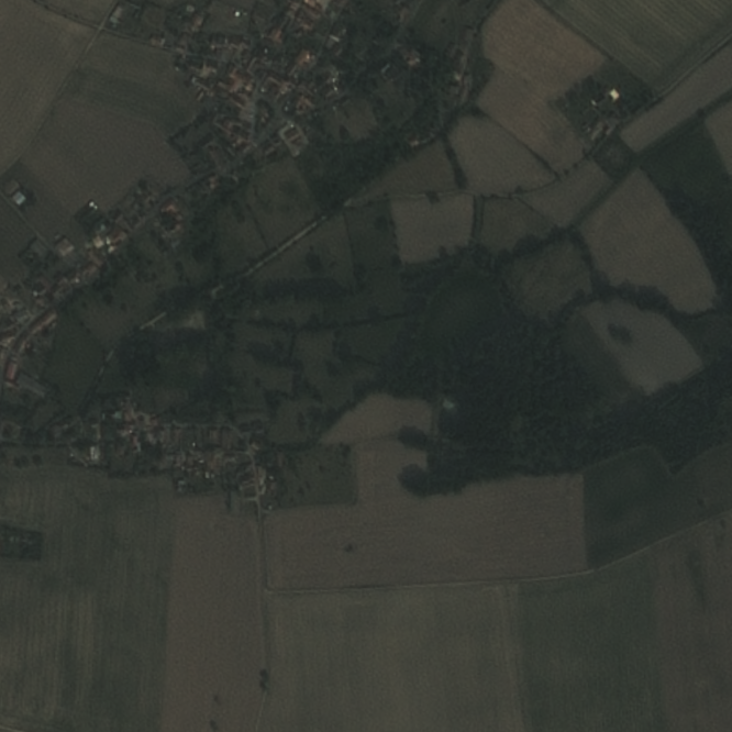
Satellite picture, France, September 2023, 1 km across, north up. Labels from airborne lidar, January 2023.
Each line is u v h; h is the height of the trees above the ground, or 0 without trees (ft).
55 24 0
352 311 0
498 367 79
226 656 0
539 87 0
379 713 0
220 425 0
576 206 0
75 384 0
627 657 0
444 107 21
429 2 0
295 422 0
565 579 0
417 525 0
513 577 0
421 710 0
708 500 0
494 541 0
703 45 0
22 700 0
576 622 0
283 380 0
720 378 51
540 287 0
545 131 0
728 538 0
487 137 0
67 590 0
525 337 80
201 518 0
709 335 0
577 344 0
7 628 0
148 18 0
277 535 0
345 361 51
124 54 0
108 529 0
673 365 0
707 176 0
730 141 0
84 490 0
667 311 21
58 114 0
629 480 0
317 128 18
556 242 30
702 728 0
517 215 0
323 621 0
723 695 0
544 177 0
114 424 0
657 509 0
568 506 0
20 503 0
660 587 0
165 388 0
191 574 0
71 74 0
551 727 0
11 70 0
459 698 0
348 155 21
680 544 0
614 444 40
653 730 0
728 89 0
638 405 0
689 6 0
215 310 51
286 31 24
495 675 0
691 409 45
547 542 0
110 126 0
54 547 0
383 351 0
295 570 0
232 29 0
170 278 0
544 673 0
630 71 0
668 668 0
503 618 0
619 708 0
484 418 88
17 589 0
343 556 0
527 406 37
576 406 71
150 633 0
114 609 0
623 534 0
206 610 0
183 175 0
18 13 0
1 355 0
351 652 0
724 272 40
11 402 0
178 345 77
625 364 0
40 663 0
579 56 0
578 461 56
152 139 0
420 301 51
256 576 0
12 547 0
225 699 0
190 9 0
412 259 0
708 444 17
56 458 0
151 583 0
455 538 0
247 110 0
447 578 0
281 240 0
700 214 69
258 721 0
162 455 23
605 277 0
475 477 32
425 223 0
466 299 0
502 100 0
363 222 0
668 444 31
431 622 0
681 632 0
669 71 0
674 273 0
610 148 89
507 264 52
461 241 0
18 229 0
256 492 0
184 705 0
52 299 34
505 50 0
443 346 0
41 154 0
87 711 0
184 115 0
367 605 0
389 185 0
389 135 32
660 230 0
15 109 0
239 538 0
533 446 48
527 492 0
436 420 0
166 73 0
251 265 27
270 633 0
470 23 0
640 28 0
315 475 0
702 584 0
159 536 0
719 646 0
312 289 53
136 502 0
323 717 0
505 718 0
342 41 49
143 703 0
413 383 62
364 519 0
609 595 0
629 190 0
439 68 31
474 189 0
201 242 0
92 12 0
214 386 75
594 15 0
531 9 0
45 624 0
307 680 0
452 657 0
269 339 0
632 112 50
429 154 0
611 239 0
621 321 0
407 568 0
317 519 0
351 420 0
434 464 34
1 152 0
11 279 0
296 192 0
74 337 0
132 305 0
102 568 0
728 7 0
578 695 0
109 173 0
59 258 21
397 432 0
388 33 30
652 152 0
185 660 0
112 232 0
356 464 0
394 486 0
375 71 45
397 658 0
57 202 0
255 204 0
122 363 50
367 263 0
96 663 0
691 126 0
